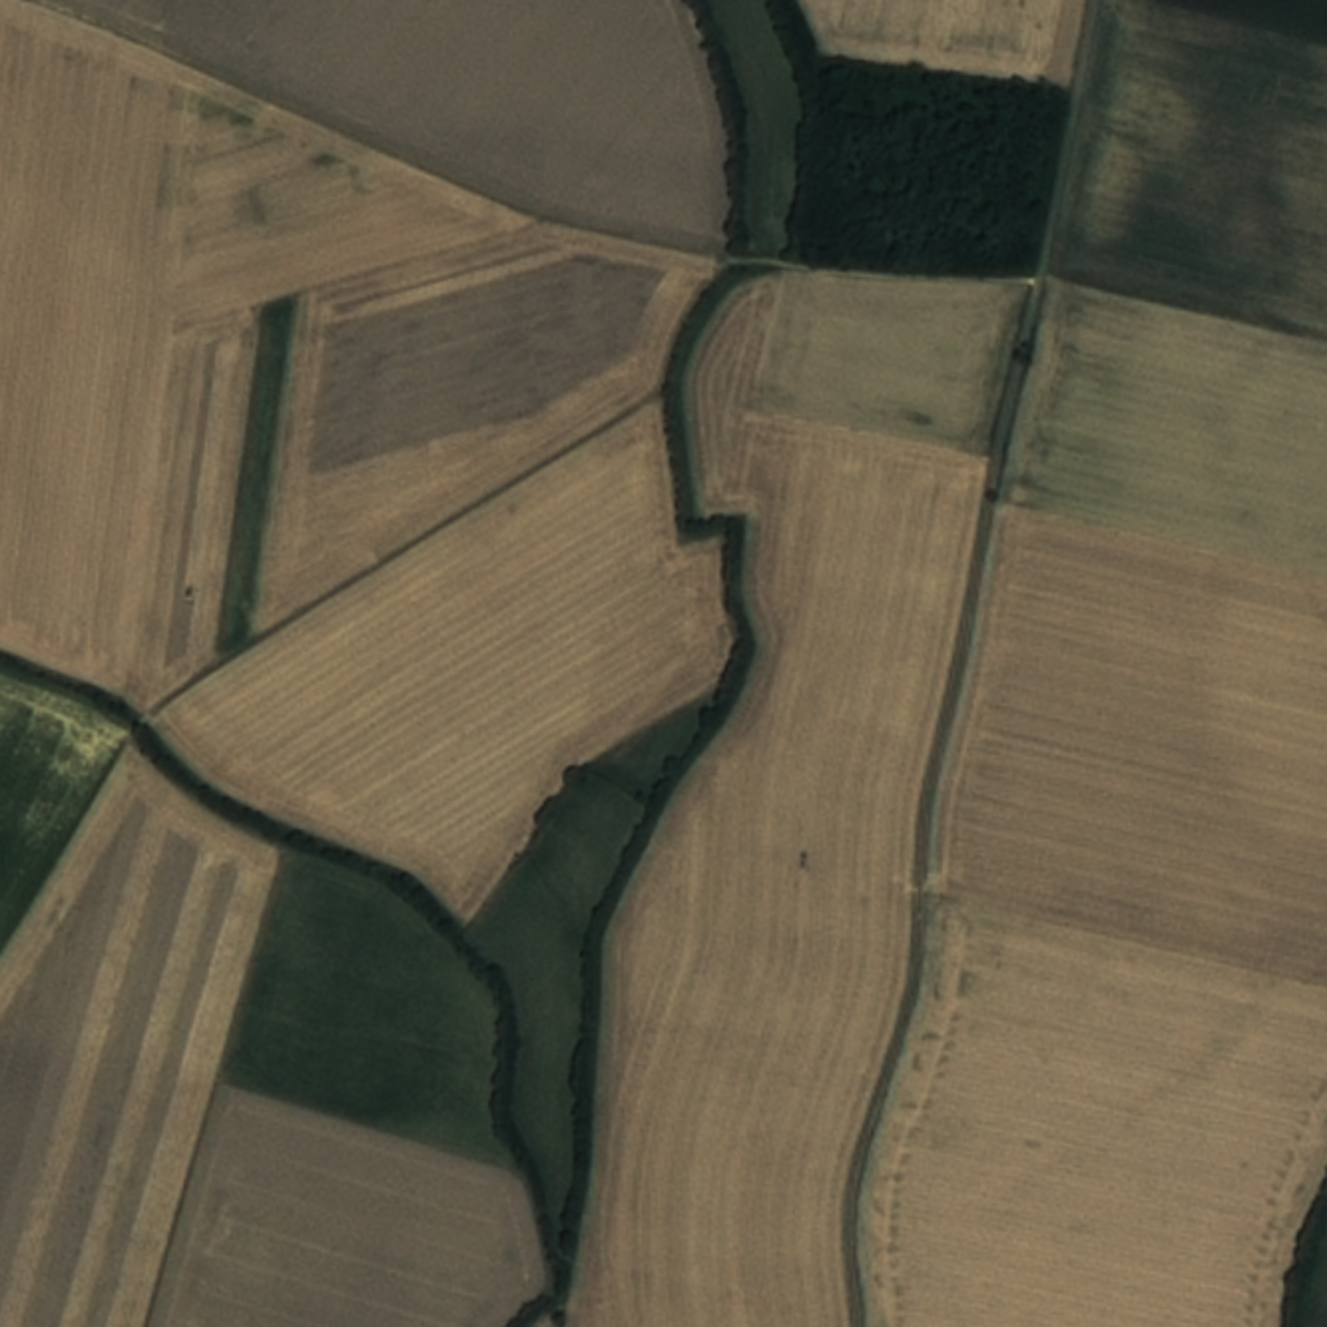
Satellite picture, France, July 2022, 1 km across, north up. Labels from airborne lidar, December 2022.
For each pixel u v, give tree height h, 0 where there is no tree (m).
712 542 0
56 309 0
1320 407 0
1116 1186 0
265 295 0
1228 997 0
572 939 0
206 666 0
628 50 0
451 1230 0
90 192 0
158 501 0
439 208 0
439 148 0
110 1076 0
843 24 0
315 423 0
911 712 0
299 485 0
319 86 0
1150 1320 0
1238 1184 0
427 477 0
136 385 0
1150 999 0
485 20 0
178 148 0
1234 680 0
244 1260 0
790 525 0
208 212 0
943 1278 0
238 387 0
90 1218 0
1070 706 0
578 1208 12
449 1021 0
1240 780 0
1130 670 0
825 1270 0
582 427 0
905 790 0
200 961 0
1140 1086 0
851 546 0
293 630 0
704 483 0
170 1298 0
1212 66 0
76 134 0
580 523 0
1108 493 0
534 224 0
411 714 0
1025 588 0
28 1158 0
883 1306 0
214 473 0
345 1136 0
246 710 0
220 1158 0
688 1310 0
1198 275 0
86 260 0
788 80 0
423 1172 0
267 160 0
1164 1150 0
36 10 0
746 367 0
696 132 0
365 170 0
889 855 0
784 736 0
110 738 0
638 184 0
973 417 0
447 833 0
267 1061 0
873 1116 0
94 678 0
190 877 0
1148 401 0
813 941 0
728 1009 0
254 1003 0
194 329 0
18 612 0
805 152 14
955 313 0
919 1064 0
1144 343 0
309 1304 0
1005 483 0
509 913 0
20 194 0
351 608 0
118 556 0
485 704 0
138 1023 0
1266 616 0
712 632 0
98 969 0
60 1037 0
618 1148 0
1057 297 0
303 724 0
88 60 0
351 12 0
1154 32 0
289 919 0
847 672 0
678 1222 0
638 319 0
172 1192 0
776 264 0
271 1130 0
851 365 0
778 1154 0
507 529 0
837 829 0
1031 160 19
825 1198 0
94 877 0
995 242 19
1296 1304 12
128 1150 0
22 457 0
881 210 16
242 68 0
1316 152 0
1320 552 0
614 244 0
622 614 0
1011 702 0
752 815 0
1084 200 0
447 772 0
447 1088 0
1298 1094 0
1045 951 0
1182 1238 0
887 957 0
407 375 0
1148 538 0
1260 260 0
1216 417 0
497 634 0
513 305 0
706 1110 0
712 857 0
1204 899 0
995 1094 0
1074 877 0
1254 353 0
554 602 0
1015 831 0
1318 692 0
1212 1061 0
